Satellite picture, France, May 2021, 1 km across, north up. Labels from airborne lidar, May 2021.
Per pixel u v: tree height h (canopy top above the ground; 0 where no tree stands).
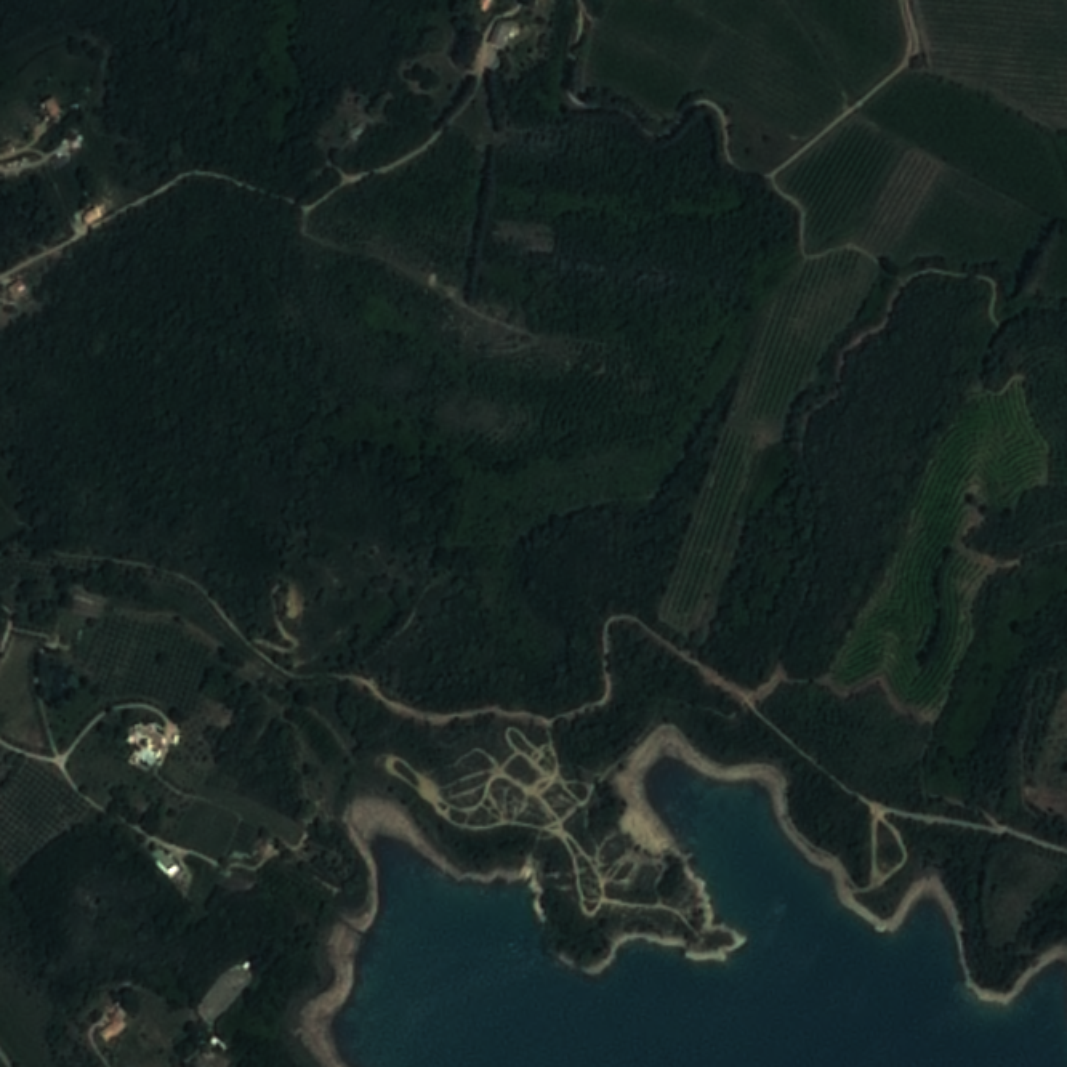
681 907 0
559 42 6
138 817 11
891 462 8
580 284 7
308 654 0
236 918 8
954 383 10
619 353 7
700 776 0
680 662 10
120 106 13
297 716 10
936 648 17
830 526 7
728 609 12
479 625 6
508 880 0
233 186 8
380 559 0
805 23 0
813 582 7
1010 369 13
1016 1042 0
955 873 9
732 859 0
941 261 7
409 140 8
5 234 10
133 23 8
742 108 0
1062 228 14
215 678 14
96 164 0
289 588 8
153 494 6
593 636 7
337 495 6
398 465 13
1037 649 6
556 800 0
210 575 9
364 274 7
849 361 9
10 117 0
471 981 0
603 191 9
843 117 0
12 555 14
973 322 14
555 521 14
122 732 8
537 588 8
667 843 0
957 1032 0
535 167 6
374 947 0
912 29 0
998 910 0
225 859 8
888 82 0
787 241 13
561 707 9
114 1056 6
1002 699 6
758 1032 0
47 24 6
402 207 6
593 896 0
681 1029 0
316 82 7
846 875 0
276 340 7
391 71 9
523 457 8
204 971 7
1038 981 0
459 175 6
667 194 9
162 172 7
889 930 0
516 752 0
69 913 6
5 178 9
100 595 12
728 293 8
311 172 11
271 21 9
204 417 8
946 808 10
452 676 12
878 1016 0
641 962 0
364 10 6
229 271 7
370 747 6
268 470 6
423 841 0
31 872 9
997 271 11
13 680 0
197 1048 6
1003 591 10
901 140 0
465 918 0
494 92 19
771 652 9
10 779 6
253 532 6
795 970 0
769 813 0
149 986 7
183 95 7
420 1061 0
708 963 0
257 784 5
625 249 6
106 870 7
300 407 7
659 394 10
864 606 6
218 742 9
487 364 5
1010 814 10
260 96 7
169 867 0
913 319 7
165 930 10
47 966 7
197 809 0
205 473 6
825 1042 0
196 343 9
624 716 10
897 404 8
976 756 10
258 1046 10
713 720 6
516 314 7
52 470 8
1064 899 6
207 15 10
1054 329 8
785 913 0
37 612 12
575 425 8
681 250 8
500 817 0
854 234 0
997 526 6
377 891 0
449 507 8
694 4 0
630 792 0
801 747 7
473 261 13
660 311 8
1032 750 6
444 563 14
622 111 17
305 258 7
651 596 11
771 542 8
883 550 12
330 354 8
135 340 7
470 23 7
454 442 6
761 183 25
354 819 0
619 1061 0
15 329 8
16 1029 0
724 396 6
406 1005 0
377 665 0
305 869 9
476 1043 0
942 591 11
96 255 7
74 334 9
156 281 6
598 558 5
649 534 14
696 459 12
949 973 0
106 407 6
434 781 0
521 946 0
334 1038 0
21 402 7
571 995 0
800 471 8
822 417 8
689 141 5
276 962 8
